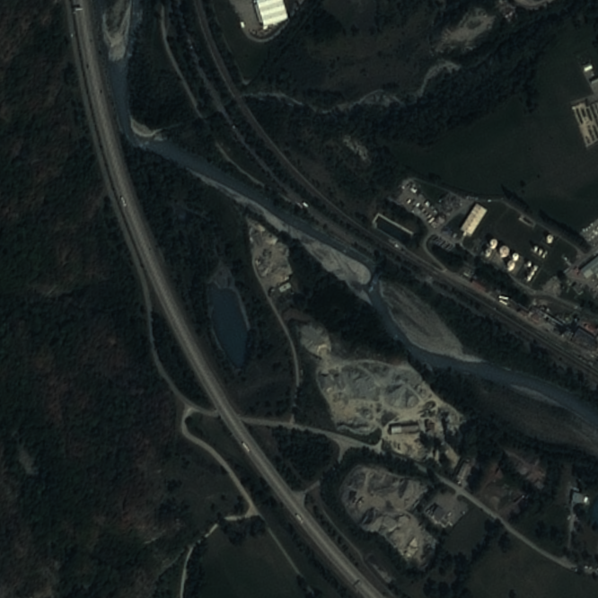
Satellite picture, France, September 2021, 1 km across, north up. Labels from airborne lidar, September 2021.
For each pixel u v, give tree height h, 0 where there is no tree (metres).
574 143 0
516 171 0
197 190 9
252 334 10
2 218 9
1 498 8
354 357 0
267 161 13
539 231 0
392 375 0
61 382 8
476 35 0
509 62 16
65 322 20
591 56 0
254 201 0
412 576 9
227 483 0
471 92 11
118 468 22
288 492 0
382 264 9
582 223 0
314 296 11
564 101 0
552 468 8
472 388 6
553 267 0
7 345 15
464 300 12
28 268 21
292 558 0
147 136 0
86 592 18
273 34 0
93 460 17
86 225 9
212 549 0
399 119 18
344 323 12
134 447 13
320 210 13
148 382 23
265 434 0
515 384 0
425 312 0
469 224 0
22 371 15
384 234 0
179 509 9
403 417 0
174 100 7
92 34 0
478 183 0
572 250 0
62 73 7
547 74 0
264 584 0
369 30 0
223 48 10
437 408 0
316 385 0
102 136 0
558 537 19
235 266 9
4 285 15
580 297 0
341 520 12
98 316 15
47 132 16
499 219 0
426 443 21
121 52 0
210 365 0
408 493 0
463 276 0
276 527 0
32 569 7
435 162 0
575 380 17
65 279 14
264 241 0
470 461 0
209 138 16
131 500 10
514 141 0
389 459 13
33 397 14
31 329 27
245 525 11
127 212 0
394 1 11
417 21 0
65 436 7
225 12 0
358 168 11
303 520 0
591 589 0
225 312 0
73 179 12
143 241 0
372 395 0
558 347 0
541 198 0
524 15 11
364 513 0
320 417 0
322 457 8
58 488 15
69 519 15
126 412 25
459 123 20
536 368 12
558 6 10
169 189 14
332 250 0
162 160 10
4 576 11
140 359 9
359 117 21
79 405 12
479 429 16
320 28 13
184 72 17
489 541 12
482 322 13
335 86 0
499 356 18
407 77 0
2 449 7
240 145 11
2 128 19
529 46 16
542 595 0
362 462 0
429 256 0
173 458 15
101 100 0
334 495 11
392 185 16
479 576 0
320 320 6
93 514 8
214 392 0
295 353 0
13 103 8
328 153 8
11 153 6
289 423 0
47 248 16
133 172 14
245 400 0
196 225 14
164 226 9
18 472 17
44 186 7
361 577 0
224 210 0
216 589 0
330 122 10
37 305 11
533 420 0
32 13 9
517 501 0
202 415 0
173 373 22
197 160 0
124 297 18
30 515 17
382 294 0
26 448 6
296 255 16
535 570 0
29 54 12
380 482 0
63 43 6
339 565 0
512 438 11
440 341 0
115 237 11
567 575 0
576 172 0
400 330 0
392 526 0
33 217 14
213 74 9
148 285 0
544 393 0
